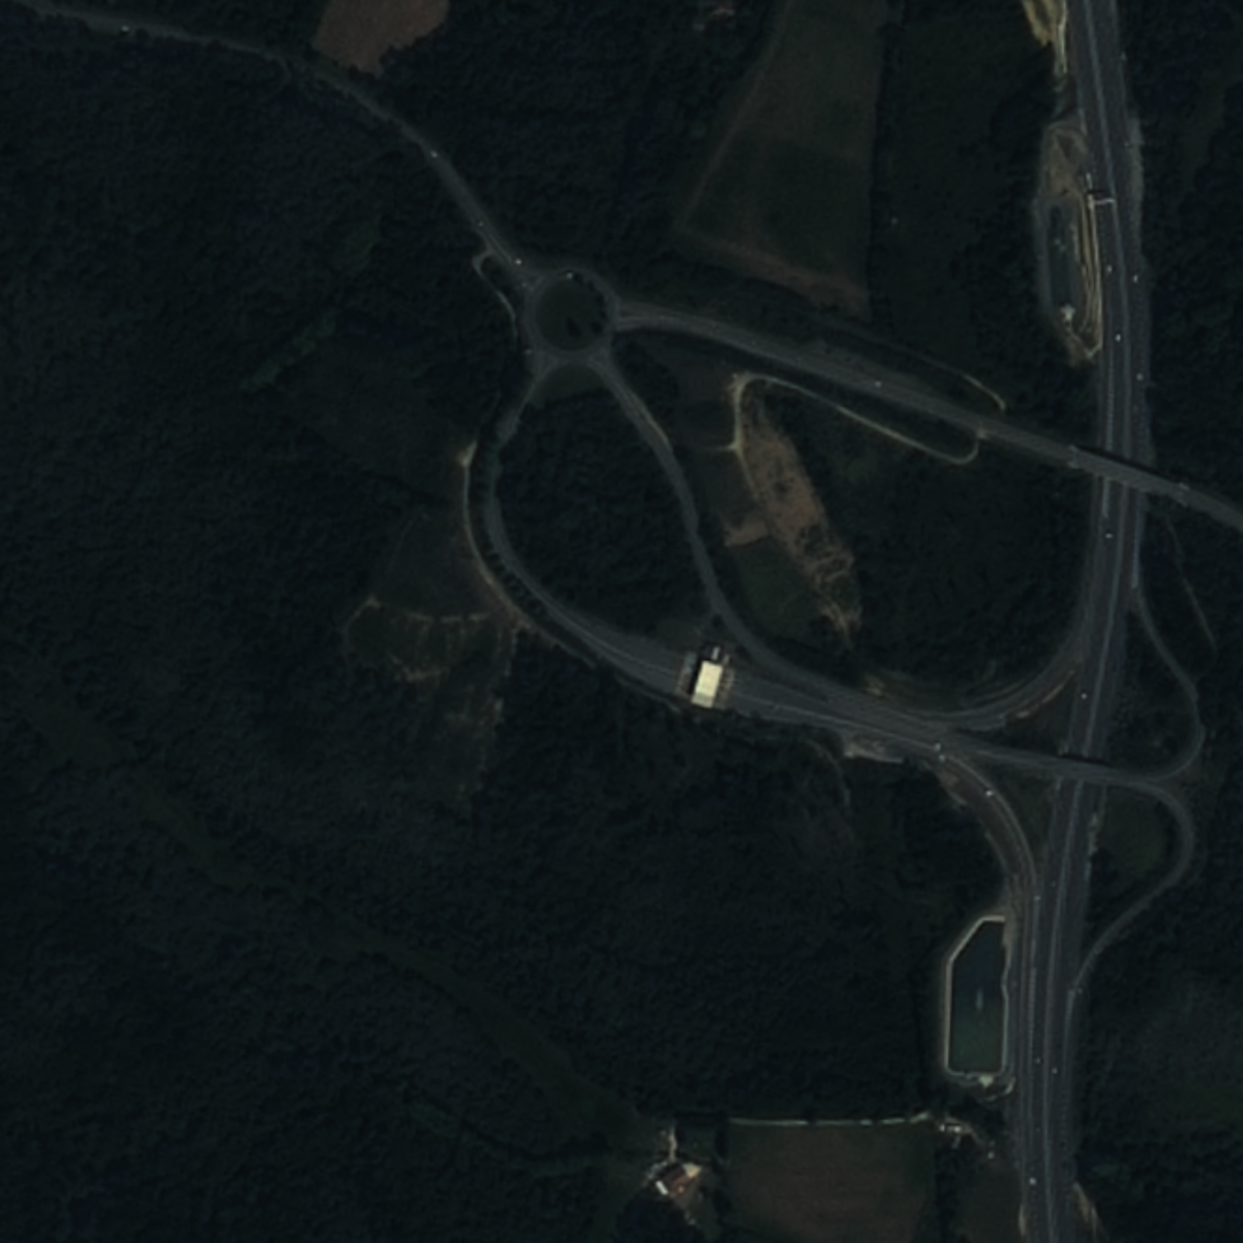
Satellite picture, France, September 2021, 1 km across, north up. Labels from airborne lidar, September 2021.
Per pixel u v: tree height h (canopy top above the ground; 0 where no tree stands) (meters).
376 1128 11
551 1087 0
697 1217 0
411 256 9
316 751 17
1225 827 17
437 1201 12
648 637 8
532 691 17
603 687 18
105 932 23
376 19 0
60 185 21
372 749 26
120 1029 18
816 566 0
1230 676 11
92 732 0
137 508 13
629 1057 21
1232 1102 0
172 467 9
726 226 0
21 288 21
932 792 22
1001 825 0
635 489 10
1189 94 16
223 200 21
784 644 8
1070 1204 0
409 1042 8
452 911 6
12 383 7
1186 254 15
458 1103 10
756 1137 0
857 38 0
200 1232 15
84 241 11
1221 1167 17
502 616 0
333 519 11
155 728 8
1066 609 14
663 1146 0
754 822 19
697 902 8
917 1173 0
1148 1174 16
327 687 22
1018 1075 0
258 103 23
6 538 12
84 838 19
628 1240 16
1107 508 0
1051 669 0
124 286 17
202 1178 17
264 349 19
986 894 17
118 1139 17
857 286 0
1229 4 13
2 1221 21
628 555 12
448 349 23
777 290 7
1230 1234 32
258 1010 15
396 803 6
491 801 15
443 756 0
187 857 7
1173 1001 8
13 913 24
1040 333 12
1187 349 22
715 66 9
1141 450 0
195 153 16
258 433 16
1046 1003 0
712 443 0
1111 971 17
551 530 16
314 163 26
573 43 27
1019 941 0
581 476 13
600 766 25
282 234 28
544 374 0
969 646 8
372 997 12
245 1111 22
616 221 15
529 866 13
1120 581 0
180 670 6
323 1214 24
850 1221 0
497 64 28
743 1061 10
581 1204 12
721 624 9
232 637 20
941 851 18
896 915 0
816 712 0
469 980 12
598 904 9
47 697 6
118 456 17
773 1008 18
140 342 18
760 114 0
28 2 0
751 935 10
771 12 10
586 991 9
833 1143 0
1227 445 18
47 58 7
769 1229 0
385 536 6
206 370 17
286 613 10
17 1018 18
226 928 9
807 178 0
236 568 11
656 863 7
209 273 22
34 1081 17
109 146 21
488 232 0
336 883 14
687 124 21
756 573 0
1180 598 12
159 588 11
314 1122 20
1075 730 0
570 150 24
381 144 20
